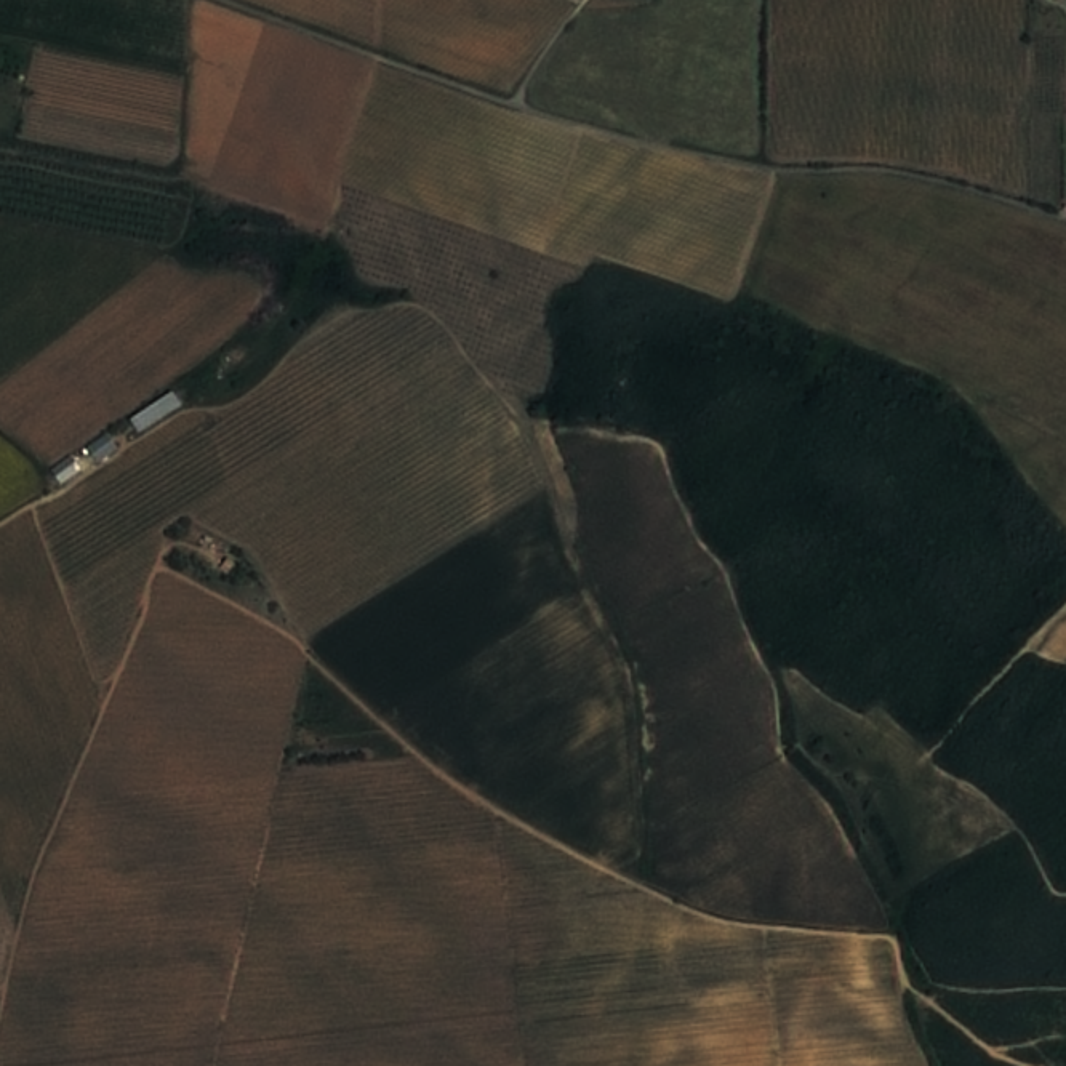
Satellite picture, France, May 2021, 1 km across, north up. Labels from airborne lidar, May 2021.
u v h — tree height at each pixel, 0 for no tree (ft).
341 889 0
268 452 0
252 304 0
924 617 22
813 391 26
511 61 0
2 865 0
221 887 0
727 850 0
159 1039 0
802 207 0
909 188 0
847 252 0
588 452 0
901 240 0
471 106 0
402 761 0
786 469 21
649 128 0
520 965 0
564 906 0
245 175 0
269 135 0
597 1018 0
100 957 0
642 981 0
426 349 0
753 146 0
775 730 0
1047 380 0
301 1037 0
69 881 0
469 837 0
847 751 0
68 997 0
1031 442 0
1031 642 0
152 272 0
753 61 0
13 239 0
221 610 0
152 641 0
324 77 0
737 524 18
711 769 0
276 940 0
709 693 0
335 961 0
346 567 0
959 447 19
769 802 0
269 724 0
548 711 0
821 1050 0
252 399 0
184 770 0
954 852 0
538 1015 0
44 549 0
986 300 0
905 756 0
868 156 0
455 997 0
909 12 0
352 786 0
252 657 0
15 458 0
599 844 0
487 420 0
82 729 0
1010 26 0
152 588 0
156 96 0
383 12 0
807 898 0
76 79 0
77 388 0
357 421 0
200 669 0
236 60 0
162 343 0
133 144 0
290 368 0
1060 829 17
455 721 0
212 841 0
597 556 0
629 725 0
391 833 0
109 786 0
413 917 0
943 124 0
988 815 0
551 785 0
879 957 0
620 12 0
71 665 0
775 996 0
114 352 0
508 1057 0
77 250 0
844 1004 0
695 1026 0
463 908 0
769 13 25
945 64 0
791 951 0
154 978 0
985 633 22
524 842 0
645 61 0
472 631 0
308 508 0
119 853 0
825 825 0
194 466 0
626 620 0
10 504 0
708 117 0
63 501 0
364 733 0
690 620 0
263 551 0
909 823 0
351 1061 0
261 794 0
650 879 0
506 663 0
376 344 0
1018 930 0
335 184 0
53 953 0
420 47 0
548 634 0
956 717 19
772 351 20
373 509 0
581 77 0
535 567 0
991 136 0
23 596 0
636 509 0
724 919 0
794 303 0
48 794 0
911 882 0
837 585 31
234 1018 0
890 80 0
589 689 0
